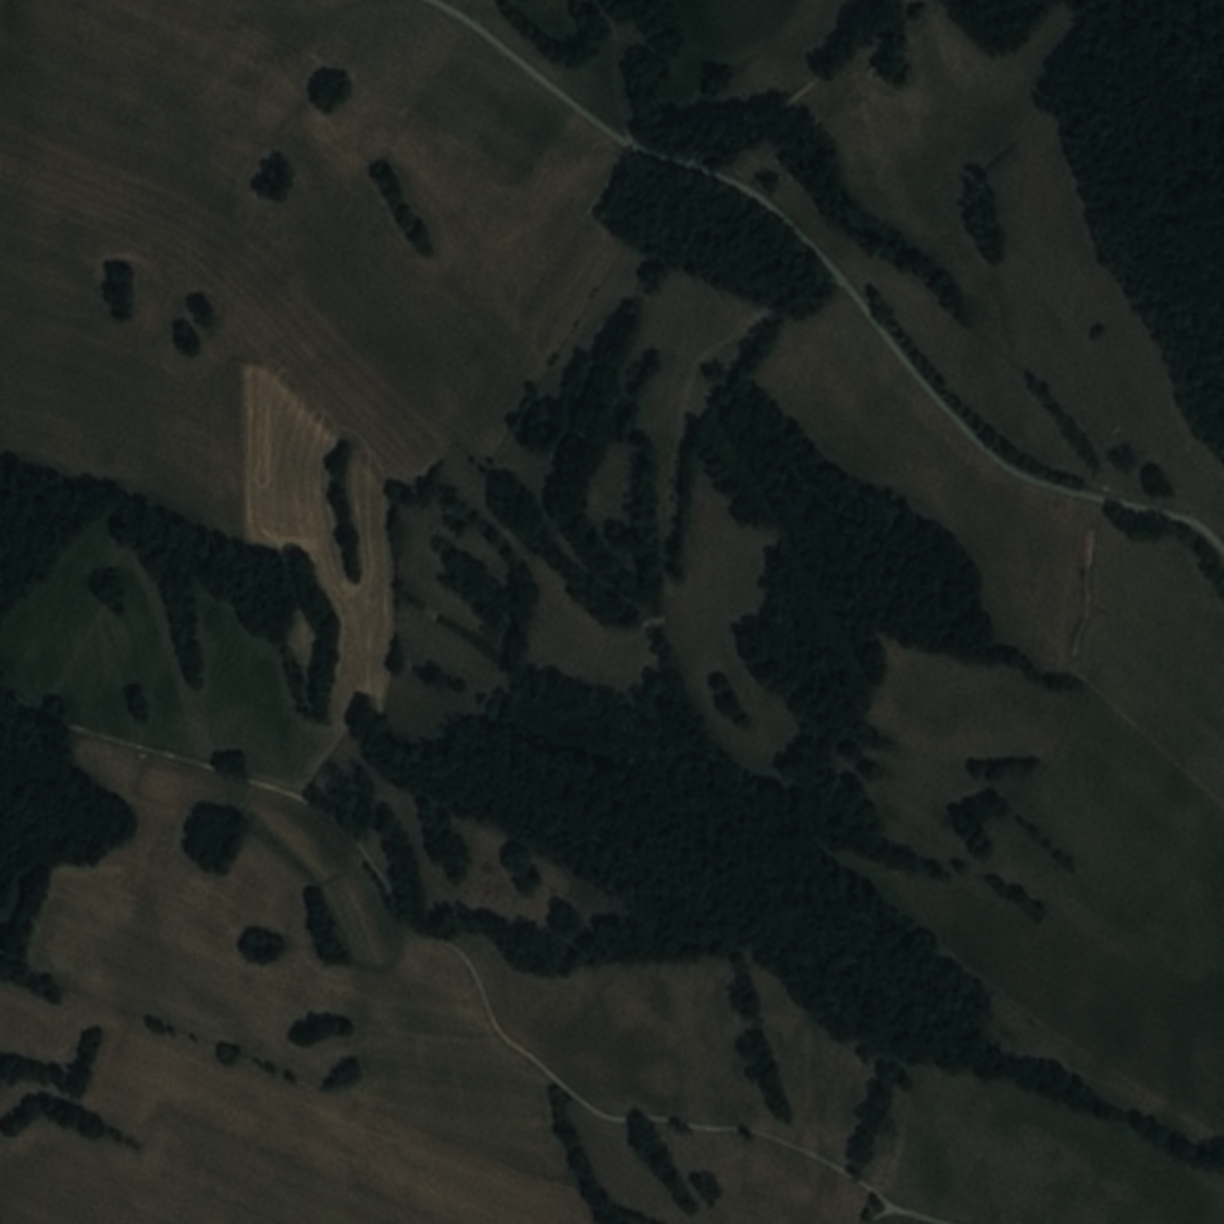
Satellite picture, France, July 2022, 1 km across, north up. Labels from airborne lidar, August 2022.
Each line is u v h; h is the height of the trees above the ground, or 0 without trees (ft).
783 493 73
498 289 0
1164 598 0
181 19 0
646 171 48
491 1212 0
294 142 0
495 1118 0
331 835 0
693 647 0
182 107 0
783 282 52
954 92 0
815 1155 0
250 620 52
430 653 0
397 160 0
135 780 0
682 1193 43
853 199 72
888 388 0
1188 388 35
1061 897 0
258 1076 0
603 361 62
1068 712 0
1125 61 56
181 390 0
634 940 69
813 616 29
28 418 0
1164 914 0
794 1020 0
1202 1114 0
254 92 0
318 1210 0
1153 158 70
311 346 0
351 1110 0
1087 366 0
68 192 0
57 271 0
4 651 0
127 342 0
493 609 58
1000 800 52
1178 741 0
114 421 0
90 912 0
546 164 0
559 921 48
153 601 0
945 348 0
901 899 0
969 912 0
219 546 72
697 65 0
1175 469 0
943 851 0
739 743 0
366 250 0
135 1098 0
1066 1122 0
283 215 0
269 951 47
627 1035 0
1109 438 0
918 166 0
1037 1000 0
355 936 0
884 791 0
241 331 0
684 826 57
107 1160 0
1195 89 62
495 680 0
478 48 0
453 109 0
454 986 0
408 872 48
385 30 0
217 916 0
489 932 46
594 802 52
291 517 0
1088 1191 0
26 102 0
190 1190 0
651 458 62
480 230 0
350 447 26
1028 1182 0
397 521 28
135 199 0
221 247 0
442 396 0
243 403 0
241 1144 0
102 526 0
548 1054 0
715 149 45
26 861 66
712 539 0
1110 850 0
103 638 0
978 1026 52
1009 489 0
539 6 0
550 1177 0
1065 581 0
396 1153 0
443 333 0
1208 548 54
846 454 0
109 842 45
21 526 73
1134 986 0
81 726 0
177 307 0
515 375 0
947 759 0
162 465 0
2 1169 0
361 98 0
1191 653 0
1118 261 37
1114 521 52
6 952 42
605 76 0
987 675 0
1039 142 0
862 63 0
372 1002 0
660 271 53
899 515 57
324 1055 0
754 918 51
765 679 66
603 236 0
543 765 54
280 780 0
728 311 0
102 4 0
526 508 63
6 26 0
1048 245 0
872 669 50
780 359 0
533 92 0
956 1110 0
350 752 0
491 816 32
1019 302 0
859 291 0
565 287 0
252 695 0
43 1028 0
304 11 0
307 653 0
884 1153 0
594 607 39
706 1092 0
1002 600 0
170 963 0
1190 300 58
